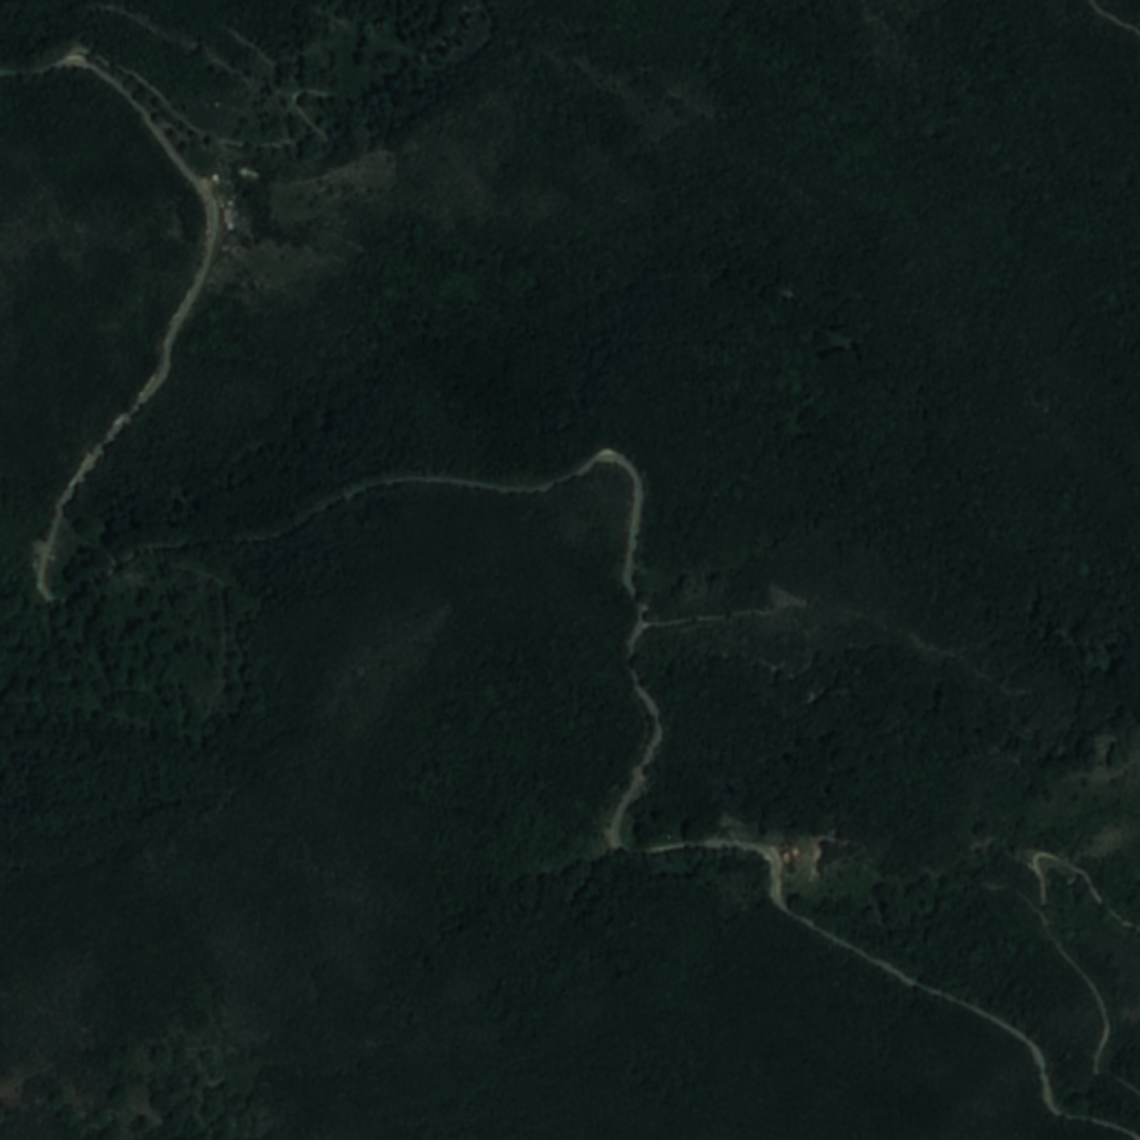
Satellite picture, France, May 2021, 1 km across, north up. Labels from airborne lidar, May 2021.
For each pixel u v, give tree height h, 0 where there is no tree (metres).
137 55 10
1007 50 11
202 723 14
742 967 8
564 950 16
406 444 13
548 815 11
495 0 12
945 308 6
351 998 8
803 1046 7
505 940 8
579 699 10
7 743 7
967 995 9
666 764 7
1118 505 6
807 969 7
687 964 6
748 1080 7
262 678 8
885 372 21
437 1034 7
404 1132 7
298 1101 6
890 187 10
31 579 7
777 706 15
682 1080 8
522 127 6
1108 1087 8
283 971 6
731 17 17
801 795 16
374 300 14
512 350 27
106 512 20
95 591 19
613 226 7
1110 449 6
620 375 9
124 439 15
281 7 16
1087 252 8
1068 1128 8
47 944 6
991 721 19
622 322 11
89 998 6
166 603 8
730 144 9
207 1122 8
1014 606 11
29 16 11
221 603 10
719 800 23
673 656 7
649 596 13
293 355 8
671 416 9
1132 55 7
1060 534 11
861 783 14
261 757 10
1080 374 9
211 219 0
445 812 7
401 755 7
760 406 17
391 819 7
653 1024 9
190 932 5
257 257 0
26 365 6
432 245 11
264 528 13
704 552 9
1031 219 15
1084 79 6
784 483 9
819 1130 7
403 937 6
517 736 11
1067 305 9
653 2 8
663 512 11
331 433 18
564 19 9
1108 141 9
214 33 11
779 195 9
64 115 7
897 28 6
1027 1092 9
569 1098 7
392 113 20
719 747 9
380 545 8
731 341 13
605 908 11
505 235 7
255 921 6
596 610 7
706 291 18
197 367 8
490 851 8
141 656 16
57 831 6
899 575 11
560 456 11
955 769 10
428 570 5
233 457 14
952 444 12
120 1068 7
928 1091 7
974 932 6
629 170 7
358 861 6
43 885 8
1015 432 6
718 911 10
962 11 9
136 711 18
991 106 9
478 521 6
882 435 18
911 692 28
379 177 0
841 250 12
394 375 18
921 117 16
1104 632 22
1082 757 16
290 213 0
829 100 17
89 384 7
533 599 6
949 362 9
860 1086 7
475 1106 9
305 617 8
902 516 16
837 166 11
